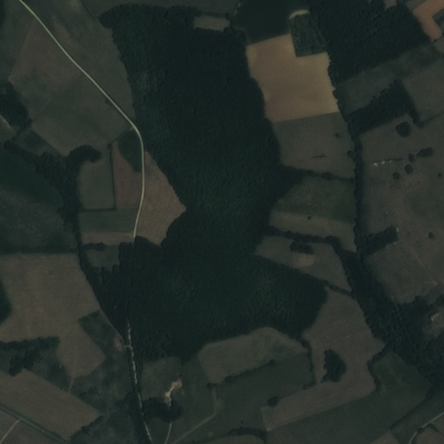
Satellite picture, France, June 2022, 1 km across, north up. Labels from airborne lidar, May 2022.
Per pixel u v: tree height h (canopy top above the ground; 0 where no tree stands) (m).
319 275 0
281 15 0
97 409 0
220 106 17
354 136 12
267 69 0
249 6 0
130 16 13
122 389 0
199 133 20
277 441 0
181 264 15
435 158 0
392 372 0
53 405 0
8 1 0
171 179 11
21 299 0
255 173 15
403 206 0
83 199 0
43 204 0
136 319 14
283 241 0
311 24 12
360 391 0
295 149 0
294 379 0
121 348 0
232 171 9
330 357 14
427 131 0
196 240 16
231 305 9
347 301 0
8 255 0
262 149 14
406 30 17
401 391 0
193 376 0
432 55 0
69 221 9
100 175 0
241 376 6
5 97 13
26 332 0
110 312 15
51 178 10
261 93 17
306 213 0
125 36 10
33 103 0
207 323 7
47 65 0
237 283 14
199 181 8
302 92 0
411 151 0
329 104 0
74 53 0
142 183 0
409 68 0
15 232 0
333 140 0
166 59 17
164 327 14
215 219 6
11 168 0
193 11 17
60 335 0
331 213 0
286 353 0
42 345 11
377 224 0
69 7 0
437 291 0
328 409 0
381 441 0
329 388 0
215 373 0
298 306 14
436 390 10
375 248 16
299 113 0
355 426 0
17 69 0
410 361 15
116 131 0
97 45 0
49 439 0
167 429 0
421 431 13
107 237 0
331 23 16
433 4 0
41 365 0
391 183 0
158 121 7
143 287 16
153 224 0
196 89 19
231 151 17
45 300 0
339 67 21
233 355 0
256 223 15
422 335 17
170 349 17
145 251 17
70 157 9
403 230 0
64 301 0
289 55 0
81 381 0
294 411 0
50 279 0
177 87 18
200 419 0
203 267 13
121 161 0
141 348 13
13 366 12
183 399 0
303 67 0
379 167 0
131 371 8
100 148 0
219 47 14
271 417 0
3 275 0
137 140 0
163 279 11
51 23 0
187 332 13
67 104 0
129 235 0
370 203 0
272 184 14
